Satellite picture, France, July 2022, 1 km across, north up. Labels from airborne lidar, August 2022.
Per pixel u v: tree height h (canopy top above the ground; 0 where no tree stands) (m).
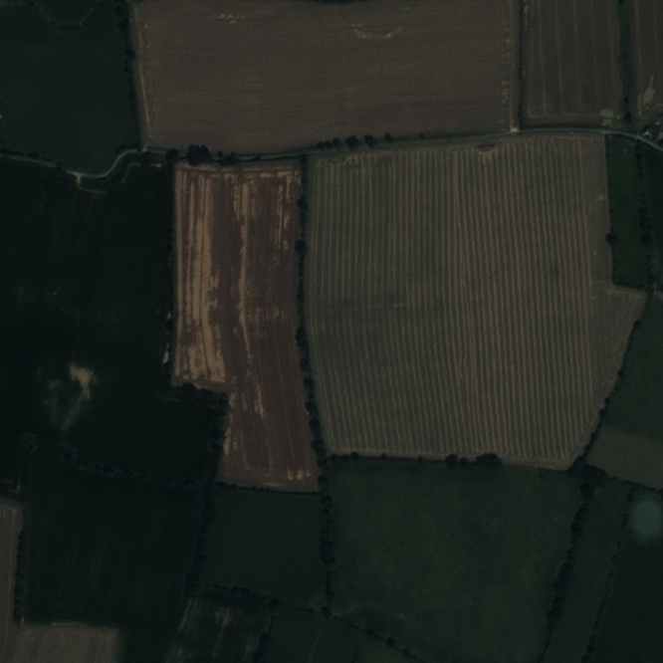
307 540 0
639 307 0
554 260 0
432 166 0
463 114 0
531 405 0
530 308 0
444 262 0
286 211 0
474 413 0
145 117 0
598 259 0
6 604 0
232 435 0
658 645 0
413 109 0
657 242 0
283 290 0
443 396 0
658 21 0
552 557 0
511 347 0
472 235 0
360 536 0
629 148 0
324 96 0
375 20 0
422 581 0
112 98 0
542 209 0
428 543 0
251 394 0
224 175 0
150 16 0
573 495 0
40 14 0
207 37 0
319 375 0
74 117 0
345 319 0
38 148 0
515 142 0
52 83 0
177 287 0
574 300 0
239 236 0
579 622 0
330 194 0
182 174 0
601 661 0
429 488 0
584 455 9
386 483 0
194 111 0
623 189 0
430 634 0
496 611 0
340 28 0
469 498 0
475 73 0
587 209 0
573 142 0
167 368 16
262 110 0
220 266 0
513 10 0
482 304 0
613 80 0
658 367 0
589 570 0
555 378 0
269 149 0
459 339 0
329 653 0
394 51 0
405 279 0
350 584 0
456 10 0
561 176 0
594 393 0
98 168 0
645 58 0
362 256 0
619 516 0
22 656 0
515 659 0
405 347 0
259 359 0
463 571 0
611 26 0
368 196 0
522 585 0
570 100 0
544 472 0
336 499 0
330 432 0
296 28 0
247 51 0
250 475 0
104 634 0
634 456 0
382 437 0
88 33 0
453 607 0
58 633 0
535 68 0
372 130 0
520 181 0
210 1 0
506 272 0
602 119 0
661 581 0
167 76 0
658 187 0
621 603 0
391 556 0
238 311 0
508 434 0
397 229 0
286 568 0
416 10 0
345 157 0
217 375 0
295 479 0
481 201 0
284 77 0
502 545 0
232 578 0
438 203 0
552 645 0
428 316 0
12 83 0
